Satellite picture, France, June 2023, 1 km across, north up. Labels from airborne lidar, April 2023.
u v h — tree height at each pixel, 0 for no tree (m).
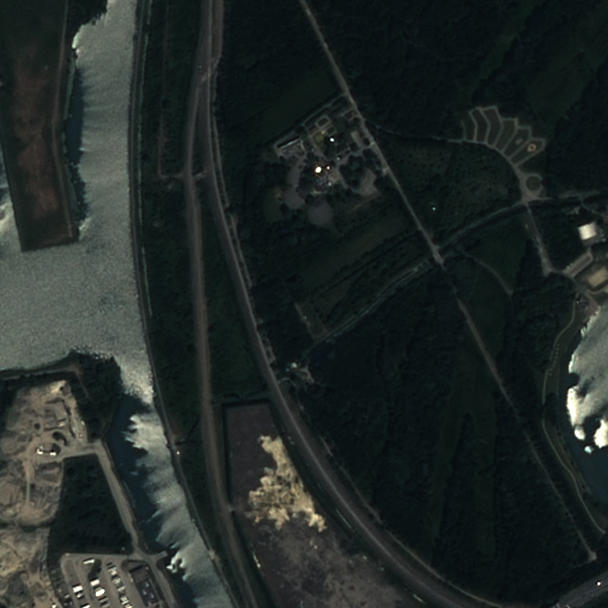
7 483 0
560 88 0
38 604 0
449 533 26
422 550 0
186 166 0
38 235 0
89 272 0
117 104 0
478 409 0
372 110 15
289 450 9
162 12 7
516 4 21
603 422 0
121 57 0
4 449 0
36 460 0
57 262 0
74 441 0
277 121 0
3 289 0
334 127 0
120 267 0
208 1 0
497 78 13
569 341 0
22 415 0
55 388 0
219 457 0
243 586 0
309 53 13
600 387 0
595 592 0
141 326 0
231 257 0
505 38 0
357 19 20
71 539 8
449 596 0
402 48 22
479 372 0
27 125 0
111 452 0
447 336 15
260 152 8
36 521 0
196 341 0
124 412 0
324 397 23
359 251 0
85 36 0
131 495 0
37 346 0
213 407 0
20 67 0
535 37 13
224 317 0
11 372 0
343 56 19
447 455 0
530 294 15
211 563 0
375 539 0
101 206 0
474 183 0
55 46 0
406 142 15
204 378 0
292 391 11
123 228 0
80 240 0
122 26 0
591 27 0
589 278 0
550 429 0
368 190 0
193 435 0
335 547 0
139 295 0
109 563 0
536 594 27
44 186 0
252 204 15
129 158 0
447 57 17
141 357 0
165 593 0
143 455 0
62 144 0
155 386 0
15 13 0
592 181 15
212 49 0
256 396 0
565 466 0
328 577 0
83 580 0
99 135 0
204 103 0
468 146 8
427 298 8
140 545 0
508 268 0
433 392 17
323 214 0
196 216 0
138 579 0
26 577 0
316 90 0
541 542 15
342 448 23
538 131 0
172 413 0
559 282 10
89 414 7
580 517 8
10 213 0
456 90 18
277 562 0
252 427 0
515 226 0
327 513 6
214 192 0
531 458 20
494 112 0
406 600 0
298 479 0
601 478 0
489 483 0
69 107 0
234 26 10
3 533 0
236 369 0
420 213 12
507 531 18
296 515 0
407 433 22
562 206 6
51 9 0
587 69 0
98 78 0
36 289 0
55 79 0
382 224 0
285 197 0
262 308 21
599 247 8
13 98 0
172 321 0
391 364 18
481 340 0
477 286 0
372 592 0
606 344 0
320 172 0
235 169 10
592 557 0
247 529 0
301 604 0
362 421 23
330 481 0
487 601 0
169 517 0
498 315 0
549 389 0
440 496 0
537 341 9
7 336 0
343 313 8
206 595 0
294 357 6
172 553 0
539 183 0
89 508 8
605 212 9
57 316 0
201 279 0
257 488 0
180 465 0
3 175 0
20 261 0
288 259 7
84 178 0
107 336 0
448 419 0
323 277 0
